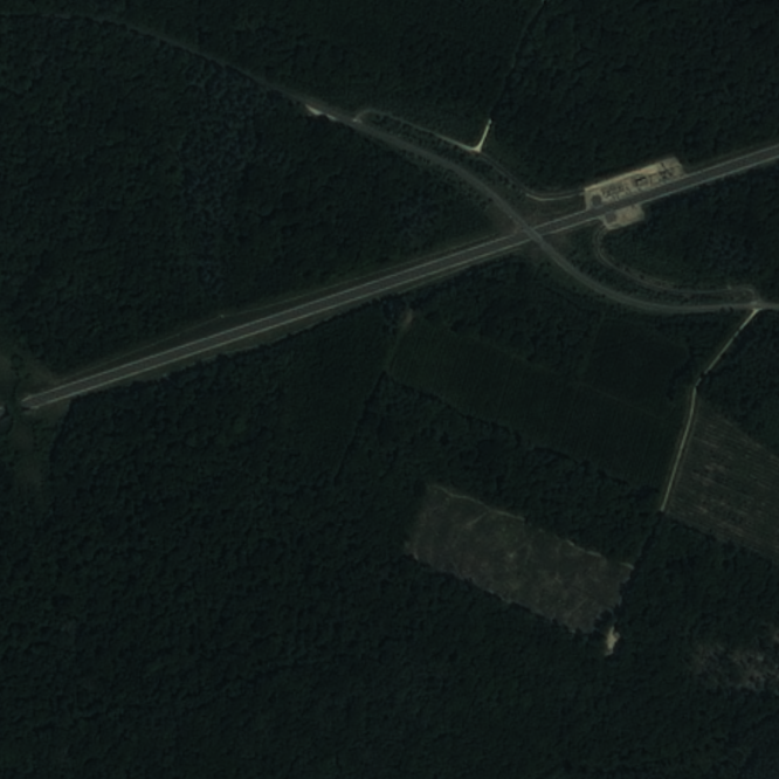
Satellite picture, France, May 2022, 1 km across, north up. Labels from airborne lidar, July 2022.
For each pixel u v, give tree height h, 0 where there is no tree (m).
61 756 29
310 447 12
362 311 11
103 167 23
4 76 22
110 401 13
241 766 22
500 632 27
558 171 25
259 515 16
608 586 0
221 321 0
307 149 21
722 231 26
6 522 25
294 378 12
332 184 22
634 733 20
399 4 16
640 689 24
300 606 13
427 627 20
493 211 0
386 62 16
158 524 27
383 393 12
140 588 22
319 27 16
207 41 25
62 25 15
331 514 19
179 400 27
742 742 26
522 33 13
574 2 19
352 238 26
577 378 25
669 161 0
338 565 14
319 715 22
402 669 20
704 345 17
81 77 23
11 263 17
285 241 23
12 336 12
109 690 14
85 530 21
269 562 24
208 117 23
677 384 18
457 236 7
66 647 14
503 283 20
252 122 25
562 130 25
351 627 17
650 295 8
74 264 17
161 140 25
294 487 22
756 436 16
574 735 21
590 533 28
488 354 6
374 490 21
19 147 16
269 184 16
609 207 0
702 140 23
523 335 24
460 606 21
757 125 26
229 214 22
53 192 24
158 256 16
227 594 13
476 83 23
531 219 0
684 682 23
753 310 0
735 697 23
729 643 22
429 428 15
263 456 20
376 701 23
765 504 0
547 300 20
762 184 21
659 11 25
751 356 35
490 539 0
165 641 23
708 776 9
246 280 14
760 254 28
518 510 20
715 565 24
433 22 17
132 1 21
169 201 25
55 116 18
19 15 12
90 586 27
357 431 15
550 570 0
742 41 21
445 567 0
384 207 23
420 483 26
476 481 21
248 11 16
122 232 19
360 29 16
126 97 21
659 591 17
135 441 19
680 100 24
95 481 25
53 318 23
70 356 24
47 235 16
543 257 0
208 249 28
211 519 19
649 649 19
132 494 25
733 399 20
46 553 15
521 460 21
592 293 6
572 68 16
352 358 14
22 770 18
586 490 25
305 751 20
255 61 21
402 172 19
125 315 24
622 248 7
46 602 17
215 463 16
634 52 20
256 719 29
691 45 21
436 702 20
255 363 13
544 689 25
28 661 21
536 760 20
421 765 19
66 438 21
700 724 16
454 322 10
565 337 22
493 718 21
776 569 23
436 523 0
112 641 21
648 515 17
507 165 8
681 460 0
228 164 30
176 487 23
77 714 25
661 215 20
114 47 18
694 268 17
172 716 21
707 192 17
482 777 22
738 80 19
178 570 19
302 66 21
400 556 20
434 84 19
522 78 19
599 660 18
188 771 22
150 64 23
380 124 9
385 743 20
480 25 15
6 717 11
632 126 21
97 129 15
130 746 23
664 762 8
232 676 23
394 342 7
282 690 21
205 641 13
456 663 21
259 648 27
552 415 5
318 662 15
